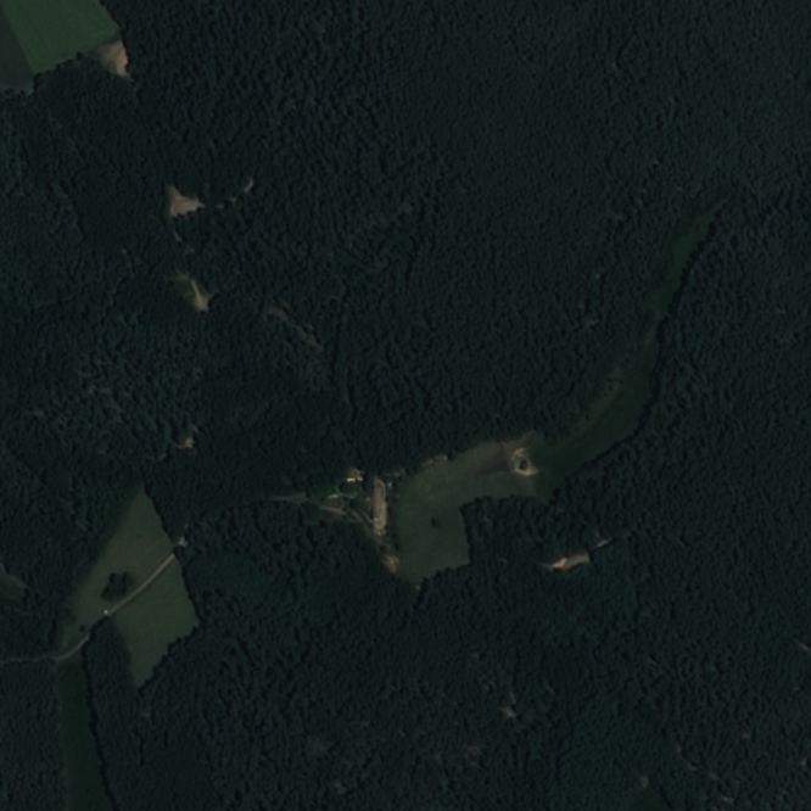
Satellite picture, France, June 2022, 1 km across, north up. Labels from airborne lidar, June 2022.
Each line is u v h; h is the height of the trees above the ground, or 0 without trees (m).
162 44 29
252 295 24
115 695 25
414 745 26
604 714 32
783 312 20
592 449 0
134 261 15
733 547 24
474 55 23
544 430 24
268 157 18
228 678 34
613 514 19
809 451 24
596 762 33
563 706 25
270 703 32
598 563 22
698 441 16
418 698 32
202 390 24
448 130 28
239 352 26
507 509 26
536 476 0
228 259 11
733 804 7
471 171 26
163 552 0
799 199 29
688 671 33
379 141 29
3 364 18
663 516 24
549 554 29
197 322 28
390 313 24
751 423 25
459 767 29
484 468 0
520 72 24
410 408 27
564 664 23
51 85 21
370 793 31
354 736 31
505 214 27
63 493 21
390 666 30
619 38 20
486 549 16
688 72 29
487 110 25
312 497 16
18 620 11
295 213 23
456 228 24
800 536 25
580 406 24
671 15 26
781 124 24
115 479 18
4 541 25
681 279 0
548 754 30
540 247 26
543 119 25
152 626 0
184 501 28
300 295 18
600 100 25
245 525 33
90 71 24
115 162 29
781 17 22
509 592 26
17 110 18
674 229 26
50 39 0
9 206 21
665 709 33
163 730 21
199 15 28
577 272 19
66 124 18
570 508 16
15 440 19
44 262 24
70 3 0
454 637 29
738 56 21
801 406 25
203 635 26
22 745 24
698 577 26
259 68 29
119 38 0
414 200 30
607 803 28
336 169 8
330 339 7
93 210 27
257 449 14
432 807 26
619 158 27
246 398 25
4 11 0
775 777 27
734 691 28
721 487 25
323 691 26
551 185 25
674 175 21
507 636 23
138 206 26
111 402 21
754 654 28
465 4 20
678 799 33
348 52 19
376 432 27
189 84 26
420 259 27
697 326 30
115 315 22
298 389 21
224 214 15
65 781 21
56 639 22
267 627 30
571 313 23
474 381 29
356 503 16
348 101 33
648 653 31
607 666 31
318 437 21
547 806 30
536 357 17
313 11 25
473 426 27
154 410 23
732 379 21
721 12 25
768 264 25
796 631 30
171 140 18
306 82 29
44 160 19
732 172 20
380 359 36
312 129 25
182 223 23
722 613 29
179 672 22
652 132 22
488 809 23
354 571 17
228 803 34
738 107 25
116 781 29
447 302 28
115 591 12
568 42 22
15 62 0
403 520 0
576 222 23
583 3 27
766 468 23
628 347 22
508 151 24
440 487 0
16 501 22
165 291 29
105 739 28
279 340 19
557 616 20
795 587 23
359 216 23
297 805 32
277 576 30
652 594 22
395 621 25
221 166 20
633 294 17
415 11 29
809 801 25
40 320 20
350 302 22
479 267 26
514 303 27
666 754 32
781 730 12
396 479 6
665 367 12
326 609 19
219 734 34
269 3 28
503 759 31
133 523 0
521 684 20
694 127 22
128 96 25
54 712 19
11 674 18
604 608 14
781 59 24
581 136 21
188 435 22
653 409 8
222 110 21
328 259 29
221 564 11
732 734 27
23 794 21
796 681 30
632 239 26
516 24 22
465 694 27
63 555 19
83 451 26
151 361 21
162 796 25
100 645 22
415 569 0
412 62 27
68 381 19
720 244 24
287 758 36
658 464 28
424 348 31
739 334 24
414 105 30
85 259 25
